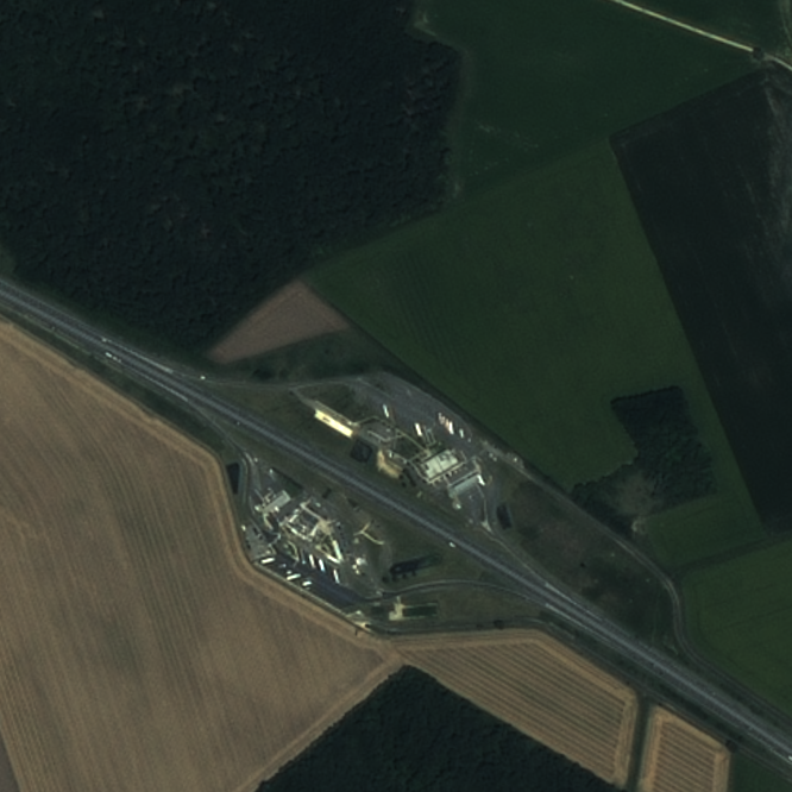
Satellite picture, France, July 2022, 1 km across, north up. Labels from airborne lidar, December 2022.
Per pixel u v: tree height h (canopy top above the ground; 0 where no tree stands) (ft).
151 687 0
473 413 0
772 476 0
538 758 71
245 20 70
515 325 0
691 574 0
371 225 51
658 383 0
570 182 0
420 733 56
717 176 0
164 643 0
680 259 0
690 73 0
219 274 50
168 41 68
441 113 63
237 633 0
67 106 54
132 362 0
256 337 0
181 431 0
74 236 68
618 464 0
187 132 65
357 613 0
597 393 0
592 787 63
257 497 0
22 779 0
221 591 0
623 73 0
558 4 0
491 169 0
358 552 0
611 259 0
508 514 0
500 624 39
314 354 0
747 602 0
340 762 73
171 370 0
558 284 0
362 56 72
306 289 0
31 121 66
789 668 0
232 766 0
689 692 0
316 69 72
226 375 0
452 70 70
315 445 0
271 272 54
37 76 62
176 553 0
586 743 0
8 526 0
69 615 0
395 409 0
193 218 62
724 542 0
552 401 0
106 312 41
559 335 0
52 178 58
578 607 0
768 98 0
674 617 0
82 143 58
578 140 0
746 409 0
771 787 0
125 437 0
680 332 0
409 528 0
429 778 57
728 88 0
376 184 66
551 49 0
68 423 0
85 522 0
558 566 0
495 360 0
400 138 66
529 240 0
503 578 0
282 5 67
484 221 0
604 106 0
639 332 0
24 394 0
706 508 0
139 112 52
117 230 65
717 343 0
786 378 0
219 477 0
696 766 0
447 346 0
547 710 0
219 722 0
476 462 0
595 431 0
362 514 0
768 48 0
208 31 69
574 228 0
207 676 0
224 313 48
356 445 0
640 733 0
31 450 0
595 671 0
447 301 0
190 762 0
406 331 0
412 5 31
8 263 0
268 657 0
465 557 0
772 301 0
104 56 64
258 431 0
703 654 0
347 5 62
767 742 0
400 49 64
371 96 74
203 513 0
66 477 0
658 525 0
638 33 0
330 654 0
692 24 0
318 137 70
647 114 0
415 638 0
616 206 0
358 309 0
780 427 0
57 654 0
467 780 72
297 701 0
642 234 0
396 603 0
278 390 0
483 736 76
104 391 0
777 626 0
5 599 0
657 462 21
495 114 0
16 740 0
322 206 69
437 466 0
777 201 0
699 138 0
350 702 0
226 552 0
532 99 0
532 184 0
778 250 0
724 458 0
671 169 0
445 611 0
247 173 69
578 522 0
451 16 0
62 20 72
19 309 0
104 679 0
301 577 0
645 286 0
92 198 51
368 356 0
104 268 66
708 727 0
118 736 0
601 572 0
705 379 0
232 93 68
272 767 0
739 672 0
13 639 0
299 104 70
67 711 0
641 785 0
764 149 0
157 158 68
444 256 0
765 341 0
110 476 0
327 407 0
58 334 0
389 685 26
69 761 0
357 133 69
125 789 0
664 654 0
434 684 37
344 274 0
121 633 0
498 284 0
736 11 0
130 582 0
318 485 0
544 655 0
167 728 0
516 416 0
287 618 0
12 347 0
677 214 0
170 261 53
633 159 0
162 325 51
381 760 74
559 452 0
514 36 0
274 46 67
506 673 0
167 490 0
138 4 64
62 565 0
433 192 51
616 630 0
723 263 0
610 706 0
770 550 0
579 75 0
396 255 0
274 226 65
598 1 0
